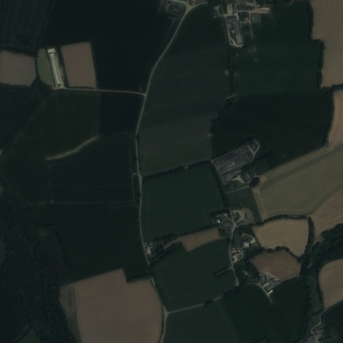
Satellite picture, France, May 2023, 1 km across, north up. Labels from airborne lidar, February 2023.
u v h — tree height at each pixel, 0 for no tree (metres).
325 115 0
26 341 0
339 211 0
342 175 0
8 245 10
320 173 0
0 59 0
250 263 13
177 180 0
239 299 0
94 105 0
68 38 0
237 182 0
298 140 0
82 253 0
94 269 0
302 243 0
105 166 0
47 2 0
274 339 0
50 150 0
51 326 37
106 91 0
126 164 0
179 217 0
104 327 0
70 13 0
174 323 0
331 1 0
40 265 25
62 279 0
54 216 0
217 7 0
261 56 0
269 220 8
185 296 0
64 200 0
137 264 0
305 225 0
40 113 0
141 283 0
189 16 0
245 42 0
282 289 0
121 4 0
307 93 0
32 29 0
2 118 0
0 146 14
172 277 0
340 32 0
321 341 13
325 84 0
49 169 0
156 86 0
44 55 0
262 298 0
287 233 0
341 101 0
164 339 0
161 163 0
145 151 0
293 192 0
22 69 0
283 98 0
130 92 0
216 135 0
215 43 0
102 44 0
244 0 0
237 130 0
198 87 0
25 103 0
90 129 0
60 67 0
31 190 0
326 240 11
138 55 0
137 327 0
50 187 0
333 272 0
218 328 0
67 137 0
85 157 0
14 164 0
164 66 0
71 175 0
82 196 0
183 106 0
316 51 0
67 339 20
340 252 0
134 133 0
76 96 0
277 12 0
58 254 0
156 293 0
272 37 0
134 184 0
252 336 0
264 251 12
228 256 0
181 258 0
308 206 0
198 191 0
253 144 0
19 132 0
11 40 0
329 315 0
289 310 0
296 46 0
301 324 0
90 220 0
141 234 0
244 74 0
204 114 0
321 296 10
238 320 0
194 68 0
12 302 0
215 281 0
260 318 0
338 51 0
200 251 0
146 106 0
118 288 0
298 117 0
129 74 0
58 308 18
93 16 0
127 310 0
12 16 0
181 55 0
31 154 0
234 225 0
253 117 0
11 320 0
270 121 0
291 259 0
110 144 0
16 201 11
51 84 0
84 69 0
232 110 0
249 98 0
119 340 0
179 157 0
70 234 0
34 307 24
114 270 0
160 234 0
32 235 19
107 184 0
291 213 0
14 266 19
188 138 0
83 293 0
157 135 0
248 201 0
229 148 0
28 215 12
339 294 0
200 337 0
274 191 0
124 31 0
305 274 12
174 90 0
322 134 0
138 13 0
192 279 0
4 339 0
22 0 0
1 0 0
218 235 0
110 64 0
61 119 0
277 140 0
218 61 0
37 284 25
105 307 0
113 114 0
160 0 0
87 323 0
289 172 0
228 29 0
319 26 0
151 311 0
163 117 0
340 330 0
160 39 0
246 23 0
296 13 0
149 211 0
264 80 0
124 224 0
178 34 0
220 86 0
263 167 0
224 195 18
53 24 0
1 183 15
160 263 0
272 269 0
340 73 0
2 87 0
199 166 18
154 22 0
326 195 0
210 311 0
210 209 0
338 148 0
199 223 0
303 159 0
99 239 0
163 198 0
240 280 13
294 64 0
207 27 0
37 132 0
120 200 0
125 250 0
